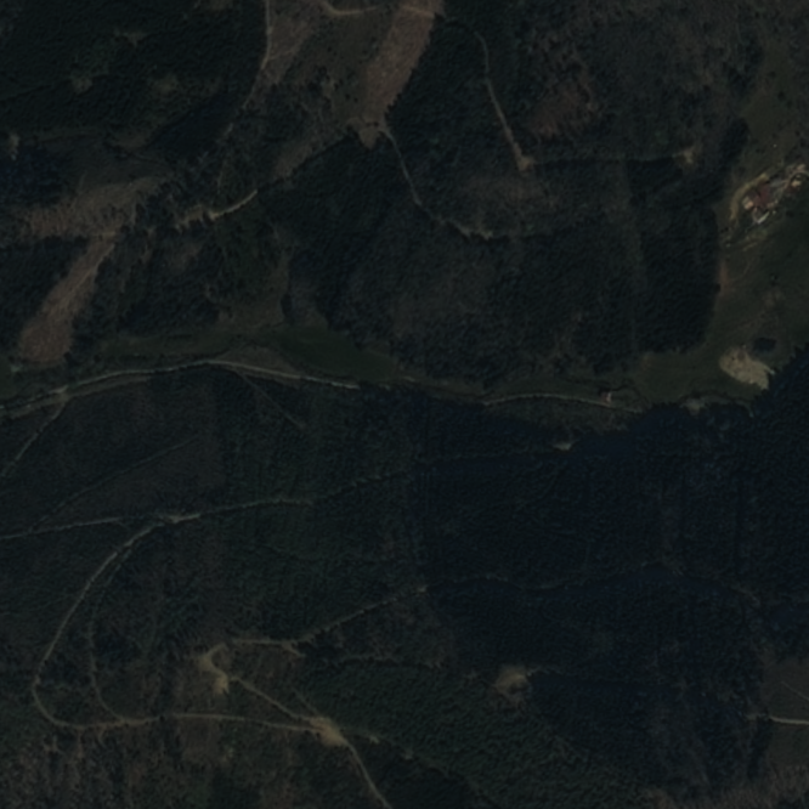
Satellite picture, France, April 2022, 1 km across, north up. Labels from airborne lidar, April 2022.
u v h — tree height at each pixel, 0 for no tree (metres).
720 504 30
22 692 8
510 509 18
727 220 0
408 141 13
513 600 19
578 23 22
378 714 13
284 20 0
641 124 27
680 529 25
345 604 7
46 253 19
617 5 19
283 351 0
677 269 24
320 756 5
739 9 27
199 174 32
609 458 27
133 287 8
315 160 16
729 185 14
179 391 7
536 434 18
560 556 19
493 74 11
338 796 7
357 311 23
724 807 20
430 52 14
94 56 11
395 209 23
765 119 0
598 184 30
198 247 17
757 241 0
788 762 0
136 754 7
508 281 30
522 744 7
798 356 0
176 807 7
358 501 6
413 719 13
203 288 26
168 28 8
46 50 15
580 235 28
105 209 0
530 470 19
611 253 24
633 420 6
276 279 0
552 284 28
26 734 8
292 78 6
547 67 9
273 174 12
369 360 0
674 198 23
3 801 27
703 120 23
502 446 20
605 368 37
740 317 0
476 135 15
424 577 9
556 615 20
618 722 19
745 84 19
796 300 0
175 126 9
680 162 12
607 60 25
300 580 9
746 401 0
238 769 12
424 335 23
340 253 15
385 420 8
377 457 12
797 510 35
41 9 14
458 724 10
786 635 34
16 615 6
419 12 0
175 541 7
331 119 15
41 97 12
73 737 17
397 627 8
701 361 0
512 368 32
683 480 23
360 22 0
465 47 15
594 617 20
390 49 0
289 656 6
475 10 16
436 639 9
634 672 28
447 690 11
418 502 16
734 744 25
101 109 10
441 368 32
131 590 9
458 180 17
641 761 15
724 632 33
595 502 28
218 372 7
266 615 7
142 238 20
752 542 33
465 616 16
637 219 26
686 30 27
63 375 18
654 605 28
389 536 10
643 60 27
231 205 15
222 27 9
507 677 0
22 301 23
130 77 7
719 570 32
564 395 0
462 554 17
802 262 0
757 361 0
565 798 11
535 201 17
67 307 0
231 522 7
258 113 14
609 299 25
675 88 25
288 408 6
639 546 27
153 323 34
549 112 8
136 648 7
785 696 0
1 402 0
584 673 20
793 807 25
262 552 7
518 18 14
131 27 13
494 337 32
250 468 9
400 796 10
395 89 0
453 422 20
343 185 18
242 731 9
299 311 31
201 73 9
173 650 7
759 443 29
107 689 8
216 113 8
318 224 16
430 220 20
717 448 27
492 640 15
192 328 7
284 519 9
